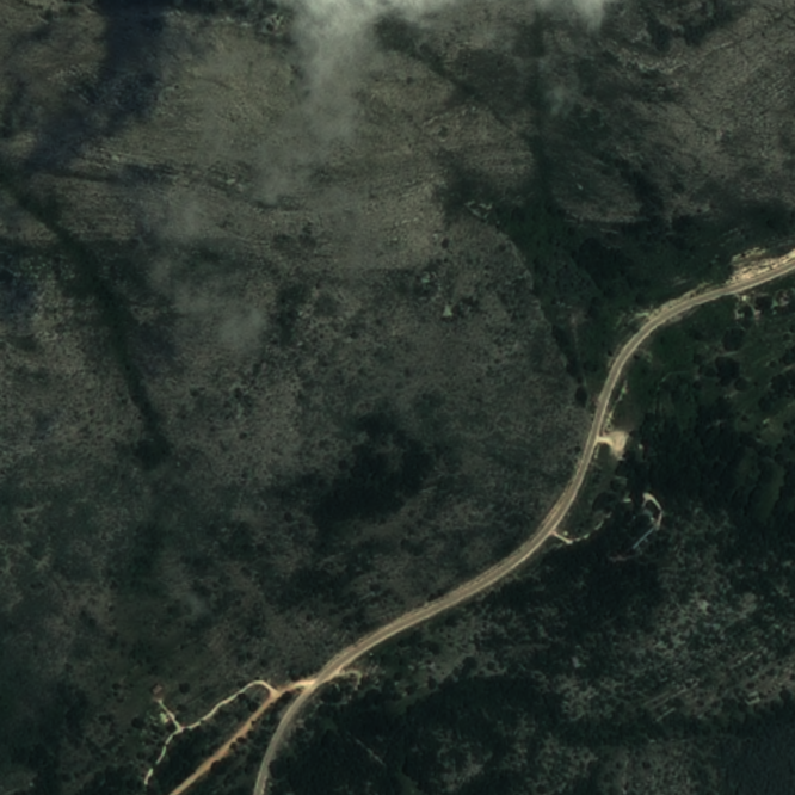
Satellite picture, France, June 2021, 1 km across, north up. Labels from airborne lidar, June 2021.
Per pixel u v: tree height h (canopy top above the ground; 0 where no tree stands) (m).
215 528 8
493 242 0
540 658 12
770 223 12
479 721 9
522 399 0
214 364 0
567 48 0
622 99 0
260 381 0
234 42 0
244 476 8
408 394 0
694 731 8
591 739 7
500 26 0
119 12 0
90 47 0
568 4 0
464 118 0
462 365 0
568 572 7
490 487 0
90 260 8
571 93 0
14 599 0
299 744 6
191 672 0
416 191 0
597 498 7
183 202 0
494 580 0
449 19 0
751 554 8
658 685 8
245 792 11
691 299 0
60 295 0
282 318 6
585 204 0
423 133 0
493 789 8
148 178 0
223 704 0
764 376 0
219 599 6
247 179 0
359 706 11
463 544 7
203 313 0
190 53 0
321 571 6
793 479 15
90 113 0
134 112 0
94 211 0
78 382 0
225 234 0
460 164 0
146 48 0
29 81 0
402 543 8
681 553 5
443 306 0
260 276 0
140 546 7
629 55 0
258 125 0
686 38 8
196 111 0
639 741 7
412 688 7
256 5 0
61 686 6
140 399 10
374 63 0
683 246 13
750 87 0
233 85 0
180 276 0
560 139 0
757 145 0
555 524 0
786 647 7
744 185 0
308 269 0
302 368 0
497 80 0
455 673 8
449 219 0
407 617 0
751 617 8
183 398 0
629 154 0
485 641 6
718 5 8
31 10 0
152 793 9
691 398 8
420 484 10
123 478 6
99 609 0
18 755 9
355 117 0
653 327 0
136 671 0
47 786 10
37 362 0
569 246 7
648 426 10
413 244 0
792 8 0
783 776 14
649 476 14
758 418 0
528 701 11
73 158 0
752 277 0
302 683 0
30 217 0
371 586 8
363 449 9
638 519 8
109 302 7
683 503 9
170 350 0
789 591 6
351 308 0
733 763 7
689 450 17
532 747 6
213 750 6
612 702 7
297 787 9
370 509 9
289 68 0
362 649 0
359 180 0
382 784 10
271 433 0
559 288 11
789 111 0
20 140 0
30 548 8
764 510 0
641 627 6
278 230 0
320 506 9
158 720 0
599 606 8
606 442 0
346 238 0
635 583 8
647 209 8
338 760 6
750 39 0
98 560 0
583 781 6
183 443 0
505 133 0
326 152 0
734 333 13
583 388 9
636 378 0
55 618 0
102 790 11
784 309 6
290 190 0
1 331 0
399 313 0
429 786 12
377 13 0
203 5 9
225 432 0
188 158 0
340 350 0
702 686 7
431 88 0
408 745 10
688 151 0
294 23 0
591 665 7
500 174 0
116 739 6
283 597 7
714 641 7
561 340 13
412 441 7
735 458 14
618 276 9
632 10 0
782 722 9
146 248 0
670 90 0
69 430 0
